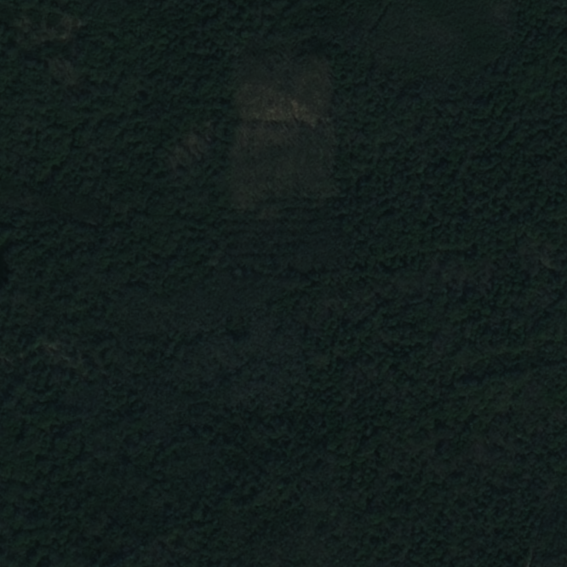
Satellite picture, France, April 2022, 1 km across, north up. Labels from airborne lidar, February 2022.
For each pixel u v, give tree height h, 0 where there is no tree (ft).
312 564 73
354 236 83
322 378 71
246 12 60
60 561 89
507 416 105
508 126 87
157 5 38
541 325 90
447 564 76
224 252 93
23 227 80
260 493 76
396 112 64
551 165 84
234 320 69
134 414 97
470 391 83
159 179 81
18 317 40
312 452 85
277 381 89
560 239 71
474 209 90
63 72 78
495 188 76
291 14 49
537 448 105
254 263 82
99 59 78
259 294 86
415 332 61
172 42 75
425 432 75
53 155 59
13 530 58
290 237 71
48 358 88
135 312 91
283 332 91
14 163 52
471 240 72
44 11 51
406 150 57
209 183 50
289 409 86
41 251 61
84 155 77
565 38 78
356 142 47
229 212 56
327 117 0
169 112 58
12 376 29
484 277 80
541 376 76
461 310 89
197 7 42
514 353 36
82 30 18
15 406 80
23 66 54
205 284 66
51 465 81
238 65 43
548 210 87
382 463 66
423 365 76
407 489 41
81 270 83
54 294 95
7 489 85
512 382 104
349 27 63
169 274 79
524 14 51
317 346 94
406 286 97
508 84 79
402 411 79
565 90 38
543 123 92
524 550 41
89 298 49
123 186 57
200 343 73
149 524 36
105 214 33
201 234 35
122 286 89
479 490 56
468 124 82
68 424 85
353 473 73
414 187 91
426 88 90
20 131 69
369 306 95
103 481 115
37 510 48
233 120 58
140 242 84
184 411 72
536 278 101
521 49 46
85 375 88
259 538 53
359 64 68
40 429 81
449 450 95
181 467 97
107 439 107
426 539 107
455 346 73
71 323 87
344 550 78
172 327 64
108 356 63
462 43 31
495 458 84
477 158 72
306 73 0
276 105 0
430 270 88
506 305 83
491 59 47
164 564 92
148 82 84
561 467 48
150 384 85
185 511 89
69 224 79
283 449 89
